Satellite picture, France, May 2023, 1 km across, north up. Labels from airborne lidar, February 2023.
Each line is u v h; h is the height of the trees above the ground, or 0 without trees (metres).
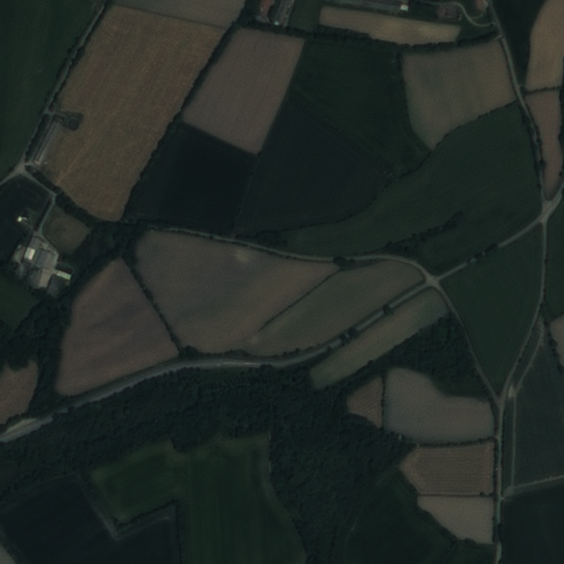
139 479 0
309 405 16
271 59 0
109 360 0
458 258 0
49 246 0
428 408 0
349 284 0
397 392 0
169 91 0
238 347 0
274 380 12
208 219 0
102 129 0
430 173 0
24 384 0
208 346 0
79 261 0
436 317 0
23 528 0
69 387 0
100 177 0
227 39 13
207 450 0
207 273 0
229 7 0
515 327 0
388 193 0
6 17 0
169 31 0
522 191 0
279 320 0
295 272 0
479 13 0
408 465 0
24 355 15
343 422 13
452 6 0
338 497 8
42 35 0
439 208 0
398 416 0
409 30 0
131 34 0
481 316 0
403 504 0
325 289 0
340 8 0
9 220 0
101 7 0
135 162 0
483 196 0
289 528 0
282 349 0
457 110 0
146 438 13
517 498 0
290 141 0
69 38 0
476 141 0
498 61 0
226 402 20
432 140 0
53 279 0
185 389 20
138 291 0
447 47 10
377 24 0
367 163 0
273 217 0
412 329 0
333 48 0
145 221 12
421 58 0
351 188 0
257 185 0
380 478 0
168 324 7
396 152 0
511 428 0
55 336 16
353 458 8
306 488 9
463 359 13
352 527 0
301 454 15
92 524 0
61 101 0
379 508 0
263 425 13
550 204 0
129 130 0
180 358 12
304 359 0
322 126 0
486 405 0
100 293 0
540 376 0
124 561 0
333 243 0
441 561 0
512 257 0
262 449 0
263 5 0
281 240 10
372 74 0
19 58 0
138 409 9
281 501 8
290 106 0
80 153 0
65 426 14
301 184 0
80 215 13
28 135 0
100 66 0
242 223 0
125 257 14
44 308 16
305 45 0
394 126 0
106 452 12
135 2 0
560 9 0
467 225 0
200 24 0
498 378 0
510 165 0
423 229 0
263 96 0
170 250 0
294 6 0
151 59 0
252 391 9
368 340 0
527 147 0
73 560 0
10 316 0
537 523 0
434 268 0
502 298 0
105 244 0
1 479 0
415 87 0
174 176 0
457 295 0
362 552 0
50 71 0
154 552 0
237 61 0
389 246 10
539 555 0
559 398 0
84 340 0
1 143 0
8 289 0
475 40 10
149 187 0
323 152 0
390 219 0
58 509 0
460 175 0
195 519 0
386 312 16
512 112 0
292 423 15
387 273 0
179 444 17
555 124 0
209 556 0
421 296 0
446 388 0
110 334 0
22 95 0
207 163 0
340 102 0
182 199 0
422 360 10
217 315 0
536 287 0
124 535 0
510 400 0
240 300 0
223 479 0
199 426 21
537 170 10
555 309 0
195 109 0
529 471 0
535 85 0
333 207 0
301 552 0
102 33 0
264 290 0
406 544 0
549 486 0
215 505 0
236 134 0
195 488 0
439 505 0
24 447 7
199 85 14
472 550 0
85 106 0
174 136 0
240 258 0
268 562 0
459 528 0
